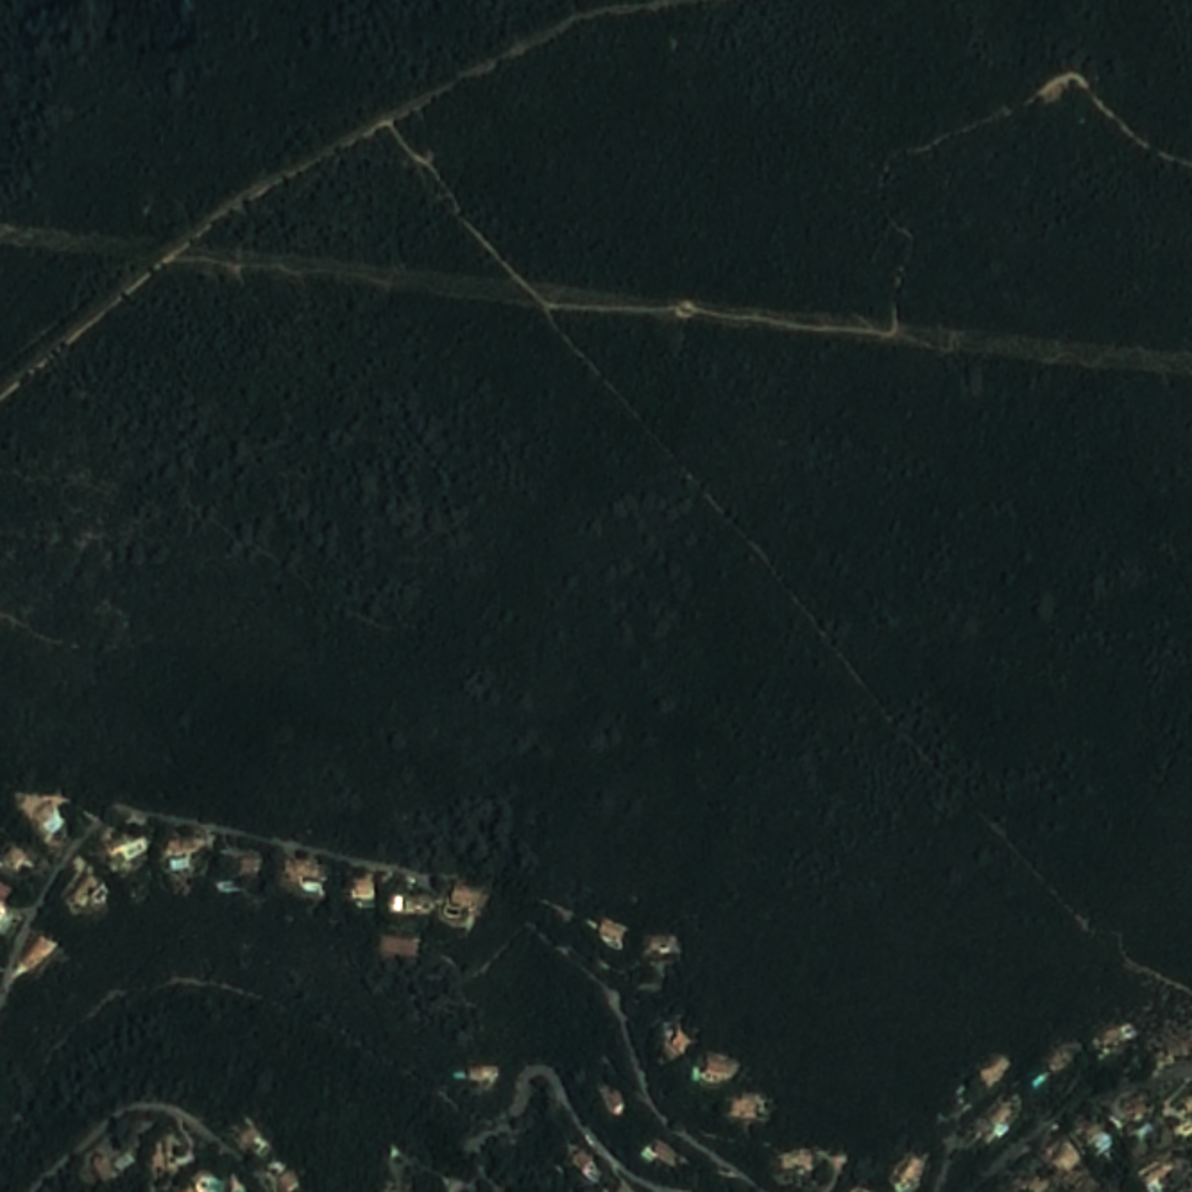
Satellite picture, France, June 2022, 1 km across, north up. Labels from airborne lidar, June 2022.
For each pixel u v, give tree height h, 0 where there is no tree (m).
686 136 9
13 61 10
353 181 7
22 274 8
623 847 9
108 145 5
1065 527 9
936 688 9
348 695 10
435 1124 23
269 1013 15
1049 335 7
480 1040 6
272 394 9
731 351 6
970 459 9
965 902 8
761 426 6
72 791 9
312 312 6
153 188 8
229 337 12
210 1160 11
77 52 17
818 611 10
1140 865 7
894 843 8
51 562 6
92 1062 21
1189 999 6
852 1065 8
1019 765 8
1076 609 9
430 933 9
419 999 22
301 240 16
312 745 9
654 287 6
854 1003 10
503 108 11
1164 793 11
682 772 10
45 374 9
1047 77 6
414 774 8
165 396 10
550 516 10
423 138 8
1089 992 8
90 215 13
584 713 9
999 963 8
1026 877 8
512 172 15
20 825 16
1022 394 6
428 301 8
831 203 9
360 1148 6
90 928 10
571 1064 12
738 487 7
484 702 7
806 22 11
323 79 11
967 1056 9
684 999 10
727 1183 8
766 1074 7
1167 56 13
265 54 11
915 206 9
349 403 16
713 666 8
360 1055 14
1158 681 13
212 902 11
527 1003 9
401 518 17
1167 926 8
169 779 9
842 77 10
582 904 7
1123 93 10
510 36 13
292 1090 10
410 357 6
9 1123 8
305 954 9
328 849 9
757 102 8
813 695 8
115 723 8
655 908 9
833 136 9
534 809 11
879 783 14
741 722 11
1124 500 12
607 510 6
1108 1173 7
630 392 10
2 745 9
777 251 11
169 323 9
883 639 10
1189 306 7
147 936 9
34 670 6
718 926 7
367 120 8
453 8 10
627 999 10
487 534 8
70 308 5
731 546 8
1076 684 7
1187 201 7
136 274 11
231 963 8
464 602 10
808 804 10
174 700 9
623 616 8
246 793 10
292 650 7
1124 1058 8
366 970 9
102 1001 7
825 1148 11
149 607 8
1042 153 8
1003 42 12
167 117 9
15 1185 11
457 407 13
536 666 9
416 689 9
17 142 10
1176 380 6
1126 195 12
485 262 14
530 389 9
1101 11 8
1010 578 18
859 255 10
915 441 11
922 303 9
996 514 14
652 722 8
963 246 11
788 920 8
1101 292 8
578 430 8
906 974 8
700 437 8
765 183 10
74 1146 11
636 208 7
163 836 8
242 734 13
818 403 7
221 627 6
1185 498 9
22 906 11
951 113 10
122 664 7
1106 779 8
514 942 9
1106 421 10
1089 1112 10
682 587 14
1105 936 6
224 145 9
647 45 9
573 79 9
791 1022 9
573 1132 11
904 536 7
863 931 7
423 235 17
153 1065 17
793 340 10
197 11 6
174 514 6
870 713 8
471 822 25
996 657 8
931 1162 7
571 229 8
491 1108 7
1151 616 11
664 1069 6
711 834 12
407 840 7
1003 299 14
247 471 13
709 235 6
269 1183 6
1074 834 7
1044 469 7
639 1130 9
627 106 11
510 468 16
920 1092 9
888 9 13
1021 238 10
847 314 6
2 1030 7
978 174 9
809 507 9
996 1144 6
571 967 9
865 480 7
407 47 8
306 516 13
